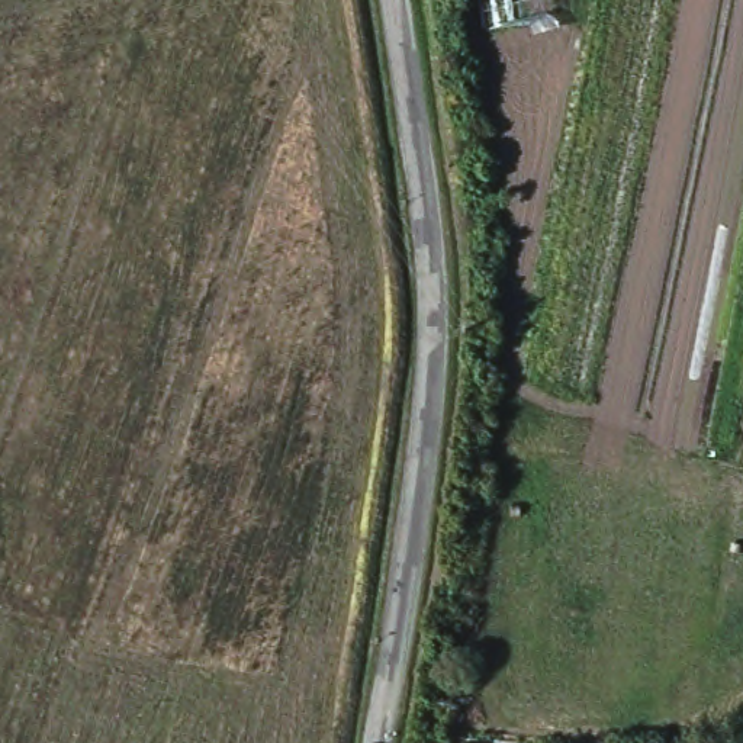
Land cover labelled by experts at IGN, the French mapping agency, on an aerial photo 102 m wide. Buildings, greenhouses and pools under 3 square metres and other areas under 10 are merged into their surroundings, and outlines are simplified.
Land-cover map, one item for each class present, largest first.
<instances>
[{"label":"agricultural land","instance_id":"1","mask_svg":"<svg viewBox=\"0 0 743 743\"><path fill-rule=\"evenodd\" d=\"M395 267L386 232L383 186L377 174V142L354 0H0V743H337L342 705L351 688V641L366 583L369 528L377 496L386 412L395 380ZM464 44L459 46V52L450 55V64L456 70H470L476 75V81L467 87V96L473 99V110L490 122V139L485 145V194L499 192L511 194L514 200L511 212L496 209L485 226L488 232H505V255L499 270L490 276V311L499 322L493 386H502L493 401L496 427L488 444L467 447V461L461 464L459 476L490 482L493 493L508 499L522 482L517 456L508 453V435L520 415L522 380L551 398L592 403L583 418L644 432L659 453L676 456V450H694L699 430L711 435L720 461H728L734 453L743 450V0H464Z\"/></svg>","mask_w":743,"mask_h":743},{"label":"herbaceous vegetation","instance_id":"2","mask_svg":"<svg viewBox=\"0 0 743 743\"><path fill-rule=\"evenodd\" d=\"M377 142V174L383 186L386 232L395 267V380L386 412L377 496L369 528L366 583L351 641V688L342 705L337 743H357L366 728V714L383 647V618L389 598L386 589L406 470L418 337L412 279L415 247L409 235V183L401 160L398 110L380 0H354ZM520 415L508 435V453L517 456L522 482L508 499V514L499 525L496 560L488 589V633L511 644V659L485 688L482 699L488 705V717L479 720L473 728H499L505 734L502 743H595L592 734H598L601 728H624L636 723H714L743 705V450L734 453L728 461H720L711 435L699 430L694 450H676V456L659 453L644 432L583 418L592 403L551 398L522 380Z\"/></svg>","mask_w":743,"mask_h":743},{"label":"brushwood","instance_id":"3","mask_svg":"<svg viewBox=\"0 0 743 743\"><path fill-rule=\"evenodd\" d=\"M464 0H412L447 238L450 360L430 543L421 578L415 633L409 644L406 679L398 702L395 743H418V717L421 708H427V697L421 694L424 685L435 682L438 688L456 694H467L473 682L485 688L511 659V644L488 633V589L496 560L499 525L508 514V499L493 493L490 482L459 476L461 464L467 461V447L488 444L496 427L493 401L502 386H493L499 322L490 311V276L499 270L505 255V232H488L485 226L496 209L511 212L514 200L511 194L499 192L485 194V145L490 139V122L473 110V99L467 96V87L476 81V75L470 70H456L450 64V55L459 52V46L464 44ZM595 743H662V737L630 740L624 737V728H601L598 734H592Z\"/></svg>","mask_w":743,"mask_h":743},{"label":"impervious surface","instance_id":"4","mask_svg":"<svg viewBox=\"0 0 743 743\"><path fill-rule=\"evenodd\" d=\"M398 110L401 160L409 183V235L415 247L412 279L418 337L406 470L386 589L389 598L383 618V647L366 714V728L357 743H395L398 702L406 679L409 644L415 633L421 578L430 543L450 360L447 238L412 0H380Z\"/></svg>","mask_w":743,"mask_h":743},{"label":"deciduous trees","instance_id":"5","mask_svg":"<svg viewBox=\"0 0 743 743\"><path fill-rule=\"evenodd\" d=\"M485 688L473 682L467 694H456L438 688L435 682L424 685L421 694L427 697V708H421L418 717V743H502L505 734L499 728H473L479 720L488 717V705L482 699ZM624 737L630 740L662 737V743H743V705L714 723H636L624 728Z\"/></svg>","mask_w":743,"mask_h":743}]
</instances>
